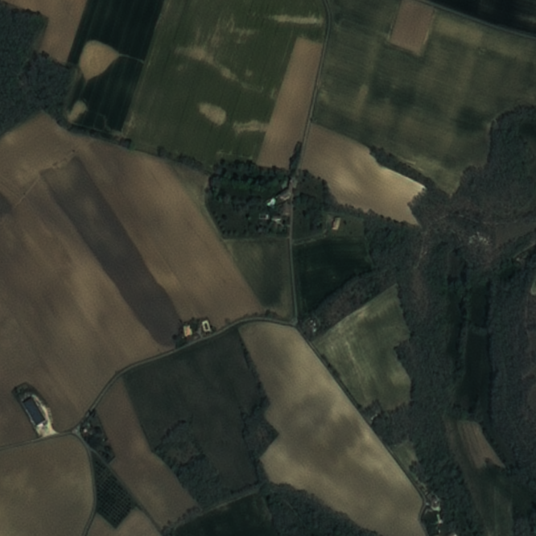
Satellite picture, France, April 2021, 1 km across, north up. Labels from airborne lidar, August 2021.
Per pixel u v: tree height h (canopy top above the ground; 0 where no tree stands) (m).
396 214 0
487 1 0
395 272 18
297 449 0
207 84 0
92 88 0
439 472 17
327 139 0
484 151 0
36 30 20
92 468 0
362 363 0
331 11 0
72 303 0
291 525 18
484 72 0
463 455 0
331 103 0
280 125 0
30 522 0
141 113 0
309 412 0
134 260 0
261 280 0
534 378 10
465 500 27
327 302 12
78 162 0
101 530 0
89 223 0
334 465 0
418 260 15
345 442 0
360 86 0
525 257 0
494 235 7
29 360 0
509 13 0
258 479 9
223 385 0
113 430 0
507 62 0
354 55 0
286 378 0
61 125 17
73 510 0
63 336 0
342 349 0
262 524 0
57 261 0
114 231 0
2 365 0
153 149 0
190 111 0
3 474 0
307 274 0
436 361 19
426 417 19
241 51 0
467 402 0
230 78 0
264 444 13
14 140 0
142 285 0
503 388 19
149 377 0
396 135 0
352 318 0
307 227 0
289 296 0
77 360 0
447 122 0
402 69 0
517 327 6
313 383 0
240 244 0
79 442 0
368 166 0
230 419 0
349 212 16
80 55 0
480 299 0
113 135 0
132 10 0
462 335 17
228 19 0
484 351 0
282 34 0
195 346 0
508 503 0
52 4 0
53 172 0
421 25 0
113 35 0
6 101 21
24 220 0
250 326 0
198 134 0
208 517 0
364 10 0
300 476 0
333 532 13
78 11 0
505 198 15
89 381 0
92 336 0
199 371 0
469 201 7
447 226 10
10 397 0
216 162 0
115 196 0
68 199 0
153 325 0
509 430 17
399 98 0
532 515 18
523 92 0
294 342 0
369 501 0
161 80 0
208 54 0
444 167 0
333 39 0
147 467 0
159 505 0
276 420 0
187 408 0
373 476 0
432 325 14
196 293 0
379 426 17
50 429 0
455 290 32
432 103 0
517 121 16
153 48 0
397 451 0
